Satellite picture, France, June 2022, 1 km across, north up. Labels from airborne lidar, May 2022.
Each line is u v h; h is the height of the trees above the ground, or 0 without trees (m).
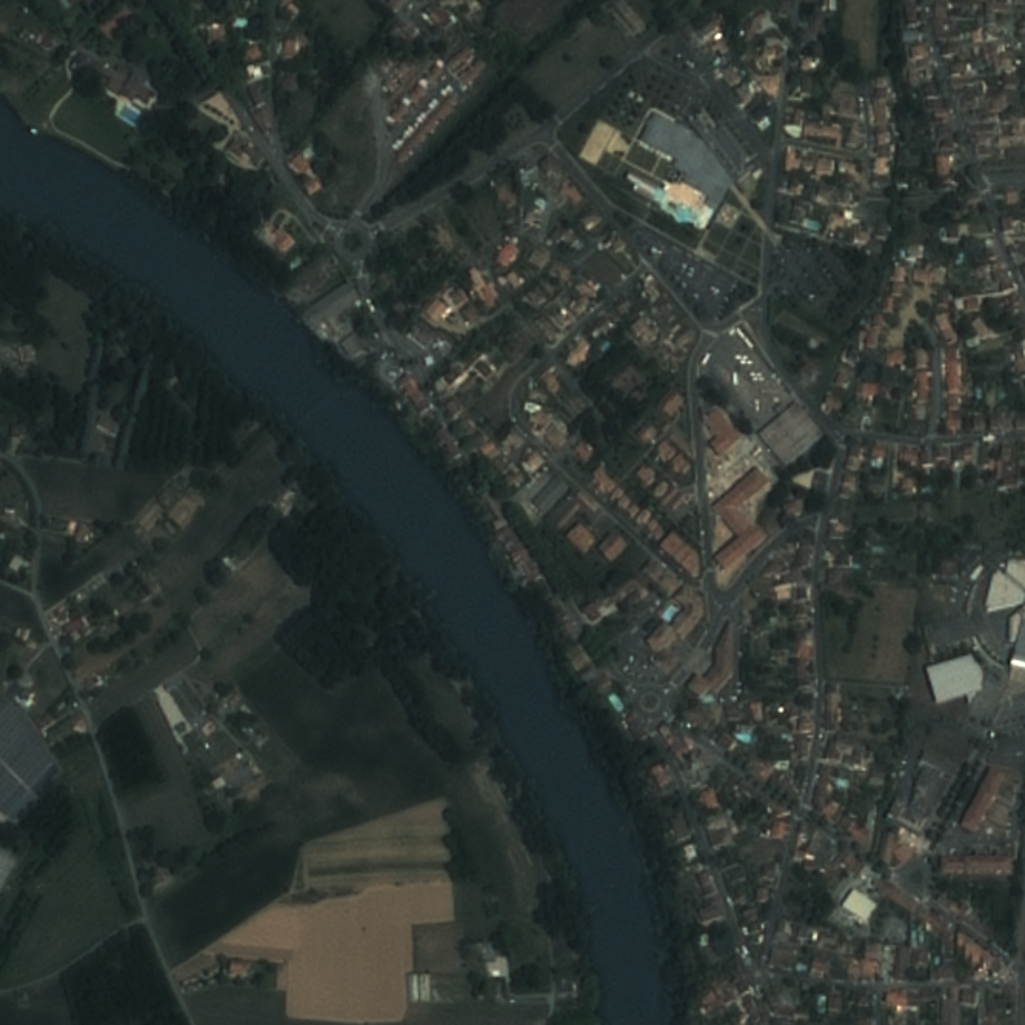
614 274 0
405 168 0
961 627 0
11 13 0
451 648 21
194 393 12
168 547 13
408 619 12
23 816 8
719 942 14
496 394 0
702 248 0
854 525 8
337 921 0
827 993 11
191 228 20
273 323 0
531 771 0
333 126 0
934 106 0
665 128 0
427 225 23
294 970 0
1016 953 9
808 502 12
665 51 8
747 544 0
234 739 0
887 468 9
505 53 12
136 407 23
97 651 10
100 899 0
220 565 11
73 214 0
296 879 0
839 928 8
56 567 0
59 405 17
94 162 0
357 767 0
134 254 0
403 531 0
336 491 9
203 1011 0
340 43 7
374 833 0
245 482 0
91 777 0
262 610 0
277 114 6
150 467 11
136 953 10
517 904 0
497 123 21
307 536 17
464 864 11
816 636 0
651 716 0
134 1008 8
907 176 7
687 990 12
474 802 0
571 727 0
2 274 19
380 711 0
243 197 23
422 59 10
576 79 0
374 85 0
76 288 24
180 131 25
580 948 20
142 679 0
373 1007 0
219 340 0
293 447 19
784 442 0
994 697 0
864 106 0
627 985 0
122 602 0
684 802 7
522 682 0
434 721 19
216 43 13
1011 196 0
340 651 31
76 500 0
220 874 0
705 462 0
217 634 0
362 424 0
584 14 20
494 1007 0
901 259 0
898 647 0
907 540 11
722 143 0
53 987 0
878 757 6
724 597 0
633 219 6
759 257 0
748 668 11
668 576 0
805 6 13
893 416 0
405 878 0
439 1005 0
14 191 0
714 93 0
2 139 0
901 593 0
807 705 9
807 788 0
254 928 0
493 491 17
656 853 11
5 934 9
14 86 0
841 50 26
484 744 25
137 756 6
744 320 0
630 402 11
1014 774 0
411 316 13
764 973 0
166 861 13
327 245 9
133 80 0
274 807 0
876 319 0
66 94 0
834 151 0
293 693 0
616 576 16
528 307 6
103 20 12
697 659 0
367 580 14
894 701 9
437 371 9
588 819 0
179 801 0
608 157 0
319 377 0
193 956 0
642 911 0
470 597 0
